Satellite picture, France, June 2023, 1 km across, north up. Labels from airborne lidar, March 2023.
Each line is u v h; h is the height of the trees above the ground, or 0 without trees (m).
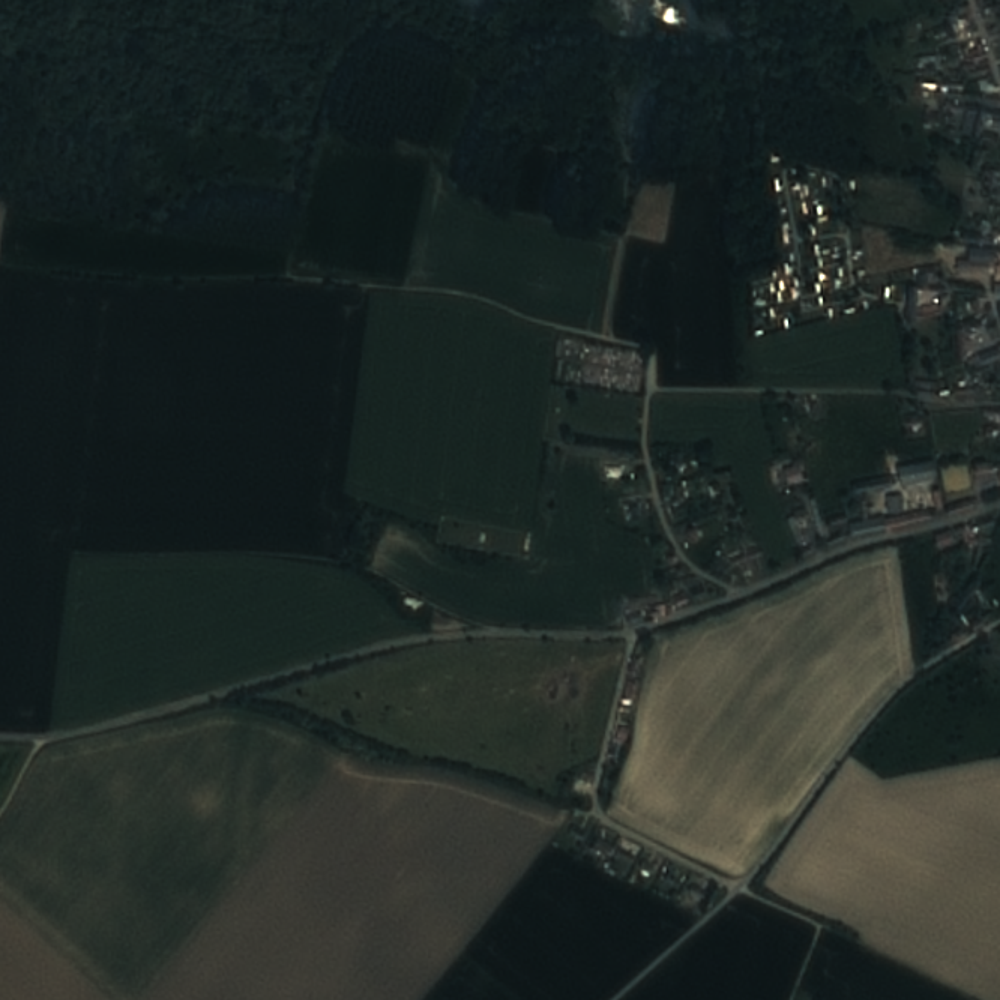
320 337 0
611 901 0
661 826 0
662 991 0
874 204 0
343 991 0
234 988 0
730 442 0
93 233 0
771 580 0
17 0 7
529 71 37
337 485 0
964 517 0
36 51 6
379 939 0
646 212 0
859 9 0
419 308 0
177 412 0
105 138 27
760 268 14
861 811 0
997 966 0
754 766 0
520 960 0
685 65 38
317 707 0
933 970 0
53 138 26
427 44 32
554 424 0
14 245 0
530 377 0
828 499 0
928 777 0
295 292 0
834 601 0
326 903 0
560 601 0
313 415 0
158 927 0
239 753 0
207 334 0
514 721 0
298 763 0
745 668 0
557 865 0
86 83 15
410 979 0
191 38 7
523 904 0
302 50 10
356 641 0
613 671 0
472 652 0
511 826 0
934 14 6
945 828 0
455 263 0
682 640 0
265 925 0
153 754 0
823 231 0
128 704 0
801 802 0
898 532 0
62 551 0
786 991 0
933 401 0
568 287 0
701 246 0
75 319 0
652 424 0
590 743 0
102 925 0
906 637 0
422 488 0
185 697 0
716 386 0
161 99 8
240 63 7
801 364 0
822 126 29
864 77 21
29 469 0
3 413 0
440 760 7
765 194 14
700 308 0
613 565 0
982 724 0
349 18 29
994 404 0
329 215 0
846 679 0
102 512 0
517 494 0
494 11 17
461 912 0
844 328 0
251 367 0
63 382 0
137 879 0
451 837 0
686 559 0
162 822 0
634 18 0
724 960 0
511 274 0
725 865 0
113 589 0
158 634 0
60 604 0
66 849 0
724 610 6
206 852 0
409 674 0
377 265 0
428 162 0
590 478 0
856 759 0
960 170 0
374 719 0
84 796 0
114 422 0
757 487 0
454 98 0
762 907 0
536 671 0
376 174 0
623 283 0
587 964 0
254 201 28
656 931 0
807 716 0
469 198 0
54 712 0
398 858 0
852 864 0
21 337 0
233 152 0
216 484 0
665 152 37
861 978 0
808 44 24
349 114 30
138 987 0
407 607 0
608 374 0
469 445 0
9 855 0
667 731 0
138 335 0
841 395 0
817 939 0
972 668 0
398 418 0
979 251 0
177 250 0
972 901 0
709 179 0
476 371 0
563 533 0
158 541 0
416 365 0
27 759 0
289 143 5
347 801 0
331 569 0
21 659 0
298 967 0
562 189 32
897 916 0
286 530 0
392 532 0
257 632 0
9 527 0
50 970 0
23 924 0
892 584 0
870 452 0
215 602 0
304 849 0
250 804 0
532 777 0
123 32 8
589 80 21
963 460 6
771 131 28
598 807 0
